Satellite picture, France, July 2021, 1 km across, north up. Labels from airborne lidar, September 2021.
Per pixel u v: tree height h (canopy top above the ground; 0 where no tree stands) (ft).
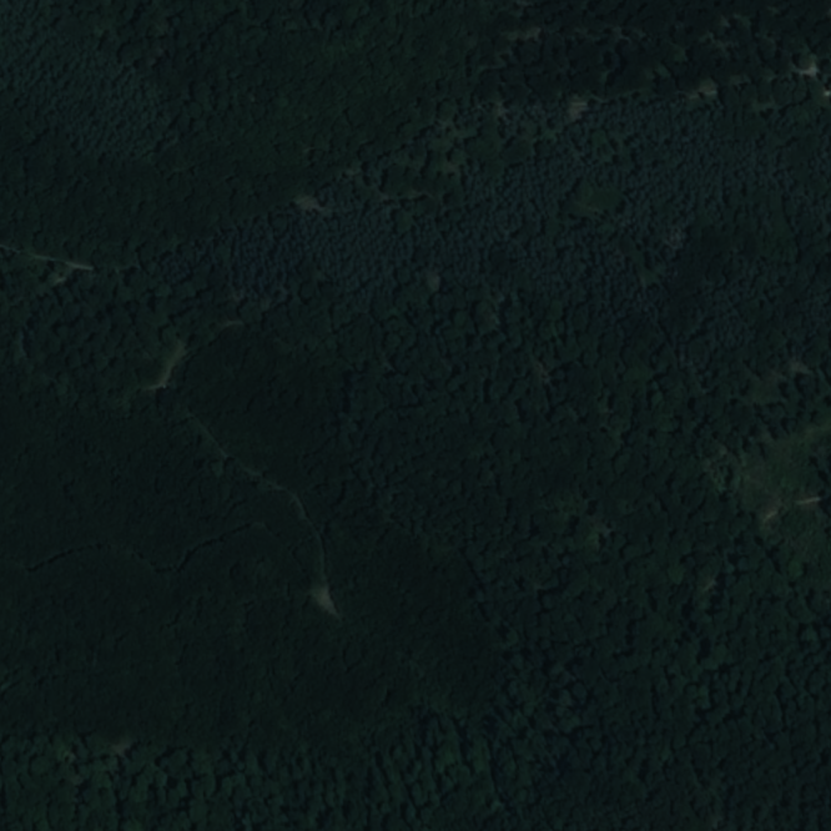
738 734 102
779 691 96
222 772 64
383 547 55
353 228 103
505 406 109
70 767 79
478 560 107
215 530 85
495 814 81
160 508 70
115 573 84
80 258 95
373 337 96
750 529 116
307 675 54
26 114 104
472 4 88
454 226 83
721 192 104
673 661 83
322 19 53
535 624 100
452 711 20
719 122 96
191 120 78
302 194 94
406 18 84
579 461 105
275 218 96
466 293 89
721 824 29
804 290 72
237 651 47
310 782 55
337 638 25
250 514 76
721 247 91
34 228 110
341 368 19
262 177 84
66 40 90
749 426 97
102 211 100
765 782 91
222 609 51
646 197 91
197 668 67
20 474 61
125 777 84
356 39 87
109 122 99
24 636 87
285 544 66
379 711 40
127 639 72
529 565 106
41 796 106
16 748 76
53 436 44
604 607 86
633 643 30
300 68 87
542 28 106
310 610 65
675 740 104
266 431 46
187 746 43
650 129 105
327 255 100
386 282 82
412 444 105
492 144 93
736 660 88
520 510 107
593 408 101
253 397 47
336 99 66
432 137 95
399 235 80
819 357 92
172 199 101
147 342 68
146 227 112
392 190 89
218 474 120
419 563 49
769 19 113
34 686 46
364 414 99
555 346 86
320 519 25
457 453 94
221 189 98
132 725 70
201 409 57
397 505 53
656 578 118
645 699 107
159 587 83
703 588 35
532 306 90
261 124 83
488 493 85
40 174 100
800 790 74
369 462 82
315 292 88
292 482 31
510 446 104
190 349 30
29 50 77
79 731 46
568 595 105
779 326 97
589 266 94
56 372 43
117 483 53
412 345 108
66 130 101
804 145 81
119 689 73
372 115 76
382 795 123
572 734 55
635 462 116
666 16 118
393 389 114
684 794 68
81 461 53
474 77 93
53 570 78
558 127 106
